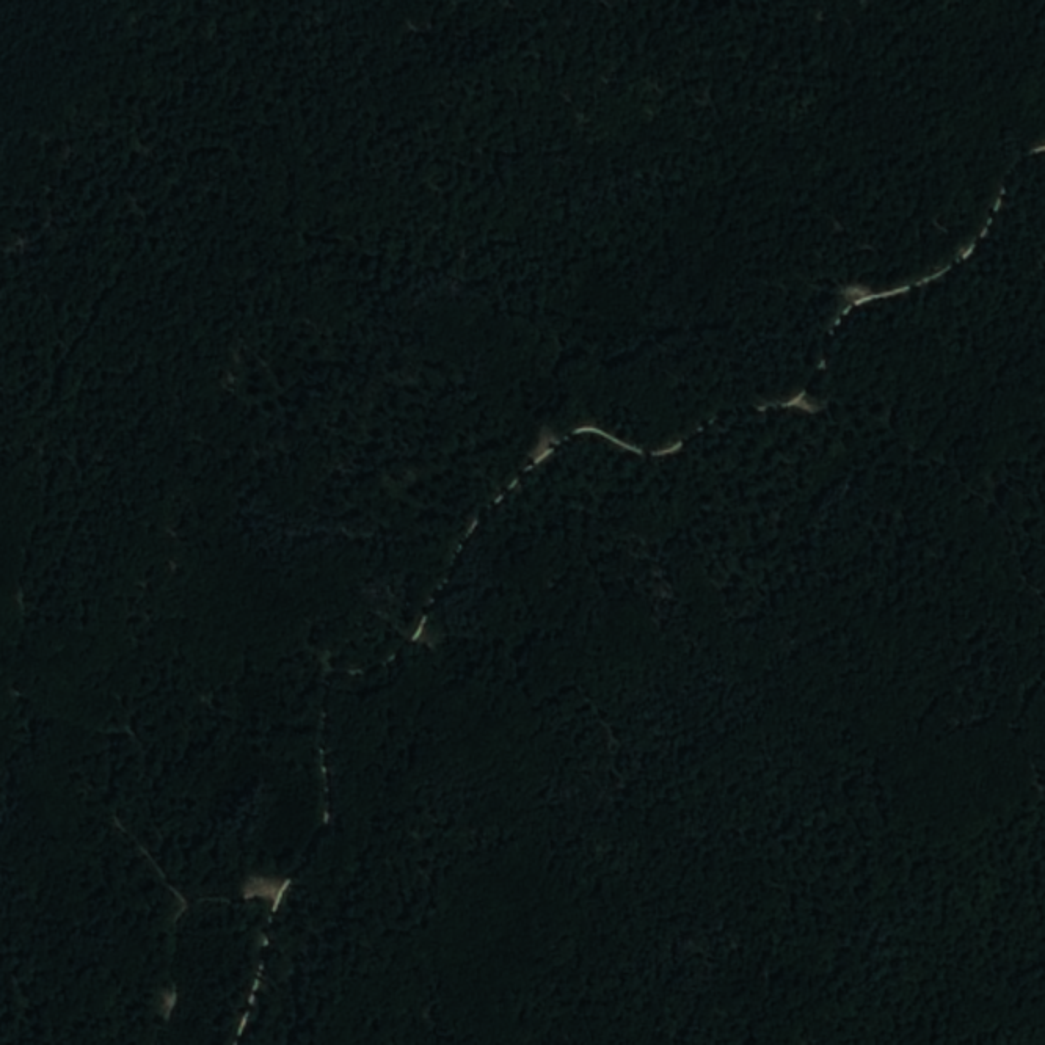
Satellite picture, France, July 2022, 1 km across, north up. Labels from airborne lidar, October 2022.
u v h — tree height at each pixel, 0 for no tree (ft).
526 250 72
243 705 24
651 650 62
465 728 87
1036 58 73
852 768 70
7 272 71
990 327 68
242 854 77
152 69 41
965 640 68
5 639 61
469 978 87
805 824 84
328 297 54
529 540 75
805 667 72
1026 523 25
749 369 77
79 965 58
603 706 71
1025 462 56
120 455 70
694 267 86
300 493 78
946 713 78
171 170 72
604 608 90
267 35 70
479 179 80
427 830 76
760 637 75
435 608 44
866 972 23
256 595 90
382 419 81
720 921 67
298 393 42
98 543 60
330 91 62
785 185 41
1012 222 65
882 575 61
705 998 75
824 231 63
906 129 51
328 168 67
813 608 58
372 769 75
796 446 73
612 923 67
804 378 52
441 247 67
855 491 65
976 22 39
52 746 82
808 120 45
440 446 81
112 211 79
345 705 86
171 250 75
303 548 78
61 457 34
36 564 57
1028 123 38
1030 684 73
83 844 64
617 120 53
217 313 65
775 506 70
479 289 75
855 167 52
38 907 79
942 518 54
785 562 76
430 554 71
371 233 53
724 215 67
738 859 66
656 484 82
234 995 26
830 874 81
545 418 94
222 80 57
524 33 67
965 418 37
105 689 60
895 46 41
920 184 52
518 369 71
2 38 69
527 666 70
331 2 87
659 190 77
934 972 52
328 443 91
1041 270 43
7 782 28
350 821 80
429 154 49
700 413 51
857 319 35
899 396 31
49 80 54
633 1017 69
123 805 76
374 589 101
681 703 89
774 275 71
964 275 78
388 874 77
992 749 88
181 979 26
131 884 77
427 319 84
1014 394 60
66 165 52
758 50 59
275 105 64
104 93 45
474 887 76
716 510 67
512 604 76
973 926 60
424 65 63
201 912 20
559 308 36
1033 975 86
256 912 70
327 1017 86
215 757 68
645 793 55
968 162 32
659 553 103
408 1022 73
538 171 51
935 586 63
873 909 81
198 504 75
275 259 54
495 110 24
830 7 32
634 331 30
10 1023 80
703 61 45
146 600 63
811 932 61
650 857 65
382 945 67
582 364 108
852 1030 54
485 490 71
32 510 72
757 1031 67
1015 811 20
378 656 61
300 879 62
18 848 75
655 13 61
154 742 74
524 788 64
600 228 79
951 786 89
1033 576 73
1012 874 70
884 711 66
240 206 64
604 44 70
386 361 94
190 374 48
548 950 66
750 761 63
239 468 72
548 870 60
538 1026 72
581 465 28
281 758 64
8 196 54
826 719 64
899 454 44
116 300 60
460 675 71
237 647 79
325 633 72
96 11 58
